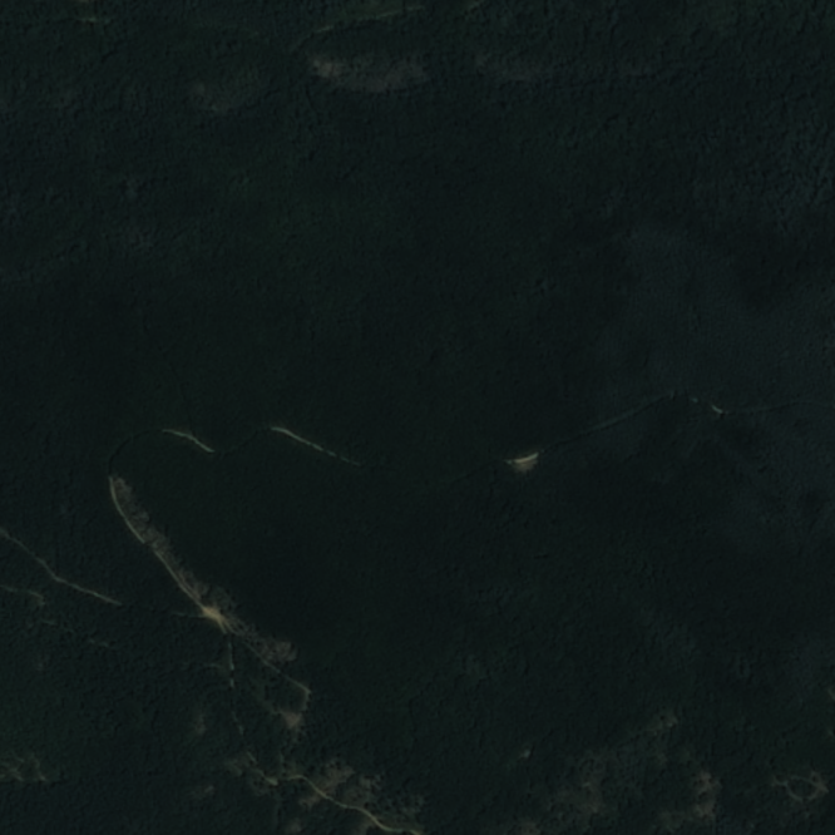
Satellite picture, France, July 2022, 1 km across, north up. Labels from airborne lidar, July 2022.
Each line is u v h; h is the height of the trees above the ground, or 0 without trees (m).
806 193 23
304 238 22
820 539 17
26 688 10
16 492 17
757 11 9
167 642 15
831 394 11
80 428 18
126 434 11
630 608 17
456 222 13
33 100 9
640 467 16
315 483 17
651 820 10
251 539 14
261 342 14
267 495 16
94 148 22
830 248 15
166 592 18
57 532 14
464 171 19
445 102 22
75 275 22
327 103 20
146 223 13
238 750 8
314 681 13
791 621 20
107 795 15
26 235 21
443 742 19
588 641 16
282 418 11
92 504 17
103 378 17
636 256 15
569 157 16
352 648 12
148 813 8
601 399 14
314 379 15
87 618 17
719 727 16
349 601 13
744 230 20
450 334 22
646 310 15
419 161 21
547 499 12
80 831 11
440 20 22
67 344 21
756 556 15
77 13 11
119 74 10
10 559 17
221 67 10
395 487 16
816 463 12
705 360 12
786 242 20
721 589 20
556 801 9
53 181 21
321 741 19
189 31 16
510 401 16
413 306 19
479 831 12
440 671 19
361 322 21
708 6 7
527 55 12
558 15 13
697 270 14
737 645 21
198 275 20
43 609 13
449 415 18
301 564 19
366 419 17
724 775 15
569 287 17
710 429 17
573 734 15
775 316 14
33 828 12
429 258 19
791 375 13
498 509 17
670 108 20
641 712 15
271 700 15
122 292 23
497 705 17
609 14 7
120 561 15
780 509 12
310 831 12
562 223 18
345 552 15
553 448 9
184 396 11
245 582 15
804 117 24
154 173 15
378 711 14
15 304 18
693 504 12
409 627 13
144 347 17
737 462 18
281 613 15
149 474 14
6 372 16
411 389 16
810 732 17
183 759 9
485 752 12
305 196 15
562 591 12
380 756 15
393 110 13
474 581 19
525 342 18
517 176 19
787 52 15
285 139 21
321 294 20
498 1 14
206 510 14
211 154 19
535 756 14
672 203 15
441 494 14
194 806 8
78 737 16
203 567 11
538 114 20
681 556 17
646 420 12
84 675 19
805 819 8
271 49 13
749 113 19
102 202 22
